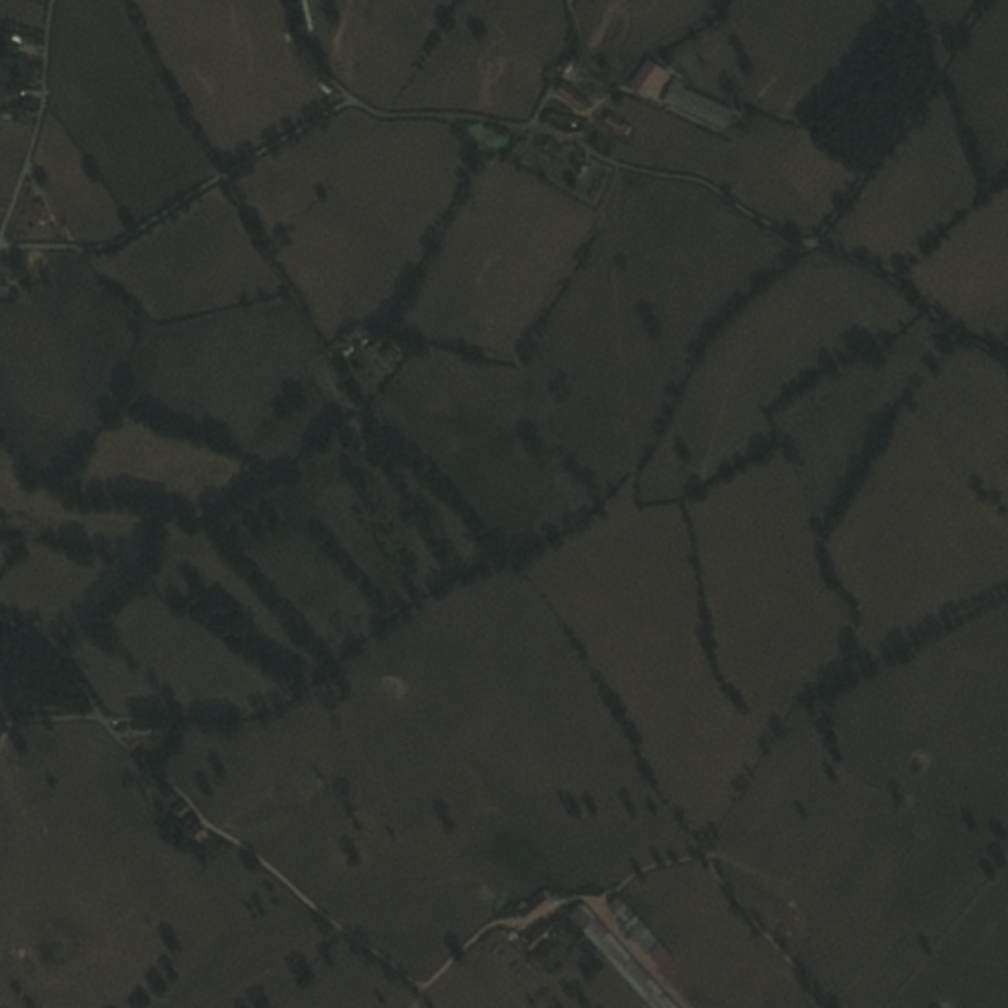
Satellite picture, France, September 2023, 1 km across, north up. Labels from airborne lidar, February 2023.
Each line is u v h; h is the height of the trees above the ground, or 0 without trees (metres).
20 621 18
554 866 0
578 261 11
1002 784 0
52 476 14
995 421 0
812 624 0
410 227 0
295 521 0
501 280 0
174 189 0
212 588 0
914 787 0
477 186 0
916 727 0
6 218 0
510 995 0
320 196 11
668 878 0
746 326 0
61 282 0
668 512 0
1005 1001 0
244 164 14
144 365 0
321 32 0
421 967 0
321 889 0
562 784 0
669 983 0
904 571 0
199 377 0
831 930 0
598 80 0
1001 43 0
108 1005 0
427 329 0
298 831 0
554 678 0
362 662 0
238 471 0
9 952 0
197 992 0
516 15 0
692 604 0
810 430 0
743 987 0
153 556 23
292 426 0
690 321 0
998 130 0
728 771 0
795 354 0
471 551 0
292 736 0
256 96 0
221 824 0
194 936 0
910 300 15
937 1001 0
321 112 12
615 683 0
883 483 0
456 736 0
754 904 0
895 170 0
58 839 0
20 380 0
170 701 19
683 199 0
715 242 0
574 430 0
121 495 23
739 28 0
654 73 0
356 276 0
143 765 21
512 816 0
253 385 0
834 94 11
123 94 0
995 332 0
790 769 0
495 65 0
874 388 0
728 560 0
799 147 0
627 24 0
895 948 0
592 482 17
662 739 0
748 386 0
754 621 0
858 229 0
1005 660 0
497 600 0
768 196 0
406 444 17
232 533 19
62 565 0
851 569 0
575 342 0
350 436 10
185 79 0
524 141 0
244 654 18
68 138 0
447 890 0
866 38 16
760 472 0
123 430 0
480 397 0
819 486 0
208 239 0
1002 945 0
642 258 0
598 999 0
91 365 0
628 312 0
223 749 0
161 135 0
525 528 0
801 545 0
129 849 0
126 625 0
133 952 0
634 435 0
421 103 0
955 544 0
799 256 12
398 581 0
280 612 19
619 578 0
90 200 0
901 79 17
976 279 0
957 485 0
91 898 0
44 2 0
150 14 0
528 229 0
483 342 0
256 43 0
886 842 0
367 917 0
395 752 0
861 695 0
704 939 0
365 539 0
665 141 0
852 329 0
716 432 0
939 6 0
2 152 0
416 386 0
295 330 0
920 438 0
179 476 0
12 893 0
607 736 0
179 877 0
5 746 0
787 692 0
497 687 0
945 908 0
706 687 0
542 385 0
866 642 0
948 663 0
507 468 0
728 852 0
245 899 0
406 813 0
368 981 0
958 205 0
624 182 0
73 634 22
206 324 0
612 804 0
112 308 0
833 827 0
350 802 0
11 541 13
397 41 0
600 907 0
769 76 0
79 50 0
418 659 0
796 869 0
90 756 0
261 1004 17
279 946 0
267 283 0
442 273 0
